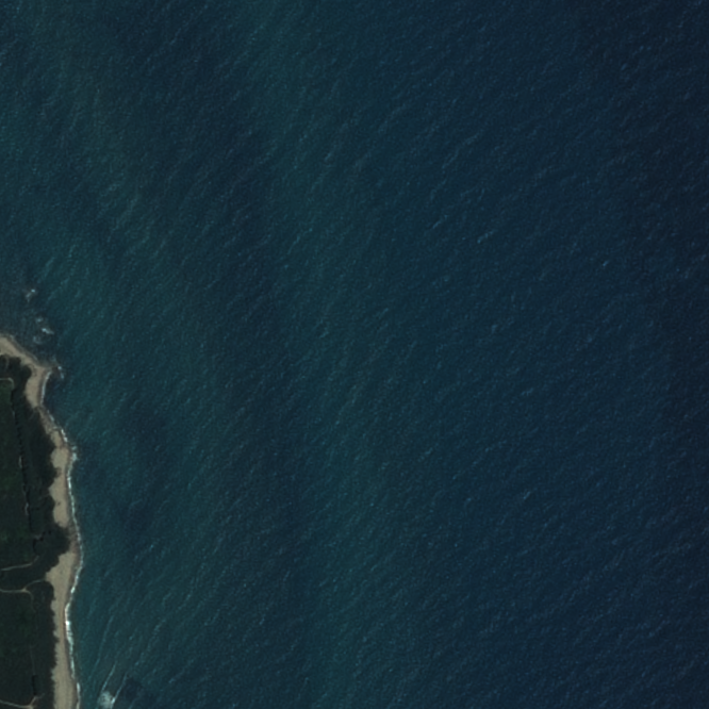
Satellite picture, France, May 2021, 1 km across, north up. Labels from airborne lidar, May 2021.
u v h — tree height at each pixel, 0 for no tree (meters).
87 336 0
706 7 0
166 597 0
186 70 0
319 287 0
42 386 0
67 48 0
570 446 0
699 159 0
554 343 0
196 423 0
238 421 0
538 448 0
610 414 0
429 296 0
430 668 0
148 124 0
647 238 0
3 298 0
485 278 0
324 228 0
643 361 0
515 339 0
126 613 0
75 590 0
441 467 0
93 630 0
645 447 0
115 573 0
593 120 0
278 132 0
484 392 0
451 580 0
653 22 0
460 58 0
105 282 0
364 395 0
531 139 0
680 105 0
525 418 0
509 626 0
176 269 0
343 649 0
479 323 0
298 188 0
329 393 0
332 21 0
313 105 0
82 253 0
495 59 0
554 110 0
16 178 0
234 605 0
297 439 0
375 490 0
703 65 0
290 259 0
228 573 0
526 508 0
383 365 0
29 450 10
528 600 0
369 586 0
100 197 0
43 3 0
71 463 0
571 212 0
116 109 0
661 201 0
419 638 0
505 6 0
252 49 0
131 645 0
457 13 0
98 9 0
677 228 0
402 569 0
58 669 0
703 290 0
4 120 0
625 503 0
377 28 0
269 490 0
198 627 0
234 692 0
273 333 0
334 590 0
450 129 0
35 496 12
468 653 0
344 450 0
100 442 0
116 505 0
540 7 0
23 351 0
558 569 0
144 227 0
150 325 0
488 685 0
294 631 0
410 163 0
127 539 0
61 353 0
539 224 0
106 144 0
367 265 0
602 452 0
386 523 0
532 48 0
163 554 0
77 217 0
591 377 0
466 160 0
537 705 0
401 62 0
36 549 10
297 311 0
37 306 0
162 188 0
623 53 0
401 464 0
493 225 0
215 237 0
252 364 0
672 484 0
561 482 0
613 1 0
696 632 0
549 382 0
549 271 0
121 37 0
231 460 0
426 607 0
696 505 0
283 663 0
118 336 0
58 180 0
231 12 0
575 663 0
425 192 0
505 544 0
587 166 0
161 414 0
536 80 0
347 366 0
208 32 0
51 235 0
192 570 0
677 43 0
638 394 0
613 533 0
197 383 0
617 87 0
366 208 0
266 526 0
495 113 0
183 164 0
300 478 0
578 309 0
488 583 0
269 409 0
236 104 0
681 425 0
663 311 0
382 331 0
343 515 0
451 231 0
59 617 0
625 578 0
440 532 0
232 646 0
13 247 0
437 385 0
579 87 0
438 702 0
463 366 0
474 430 0
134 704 0
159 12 0
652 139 0
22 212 0
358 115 0
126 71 0
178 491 0
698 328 0
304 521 0
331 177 0
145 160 0
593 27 0
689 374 0
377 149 0
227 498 0
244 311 0
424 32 0
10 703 0
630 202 0
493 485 0
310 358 0
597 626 0
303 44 0
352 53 0
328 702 0
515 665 0
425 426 0
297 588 0
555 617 0
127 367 0
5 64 0
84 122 0
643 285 0
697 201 0
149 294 0
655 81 0
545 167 0
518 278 0
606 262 0
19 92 0
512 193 0
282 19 0
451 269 0
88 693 0
